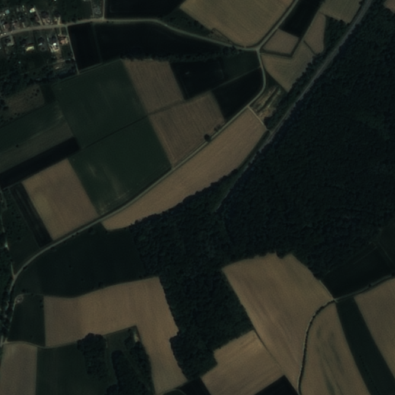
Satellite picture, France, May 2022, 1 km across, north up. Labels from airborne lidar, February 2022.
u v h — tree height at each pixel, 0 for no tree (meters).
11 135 0
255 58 0
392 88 32
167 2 0
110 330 0
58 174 0
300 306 0
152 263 17
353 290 0
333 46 8
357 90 30
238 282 0
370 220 21
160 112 0
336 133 33
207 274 21
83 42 0
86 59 0
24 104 0
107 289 0
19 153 0
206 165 0
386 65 31
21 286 0
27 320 0
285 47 0
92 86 0
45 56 0
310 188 32
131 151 0
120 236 0
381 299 0
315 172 32
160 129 0
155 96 0
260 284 0
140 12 0
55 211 0
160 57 13
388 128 28
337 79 15
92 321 0
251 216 31
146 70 0
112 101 0
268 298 0
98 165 0
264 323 0
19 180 0
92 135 0
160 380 0
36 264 0
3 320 17
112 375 0
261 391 0
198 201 22
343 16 0
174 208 0
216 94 0
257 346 0
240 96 0
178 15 0
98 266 0
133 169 0
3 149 0
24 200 0
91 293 0
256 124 0
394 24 17
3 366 0
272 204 31
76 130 0
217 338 27
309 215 28
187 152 0
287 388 0
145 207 0
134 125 0
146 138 0
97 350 17
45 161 0
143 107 0
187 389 0
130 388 24
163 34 0
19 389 0
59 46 0
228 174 0
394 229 0
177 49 0
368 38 21
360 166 31
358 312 0
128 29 0
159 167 0
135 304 0
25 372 0
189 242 32
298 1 0
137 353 23
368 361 0
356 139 31
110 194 0
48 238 0
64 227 0
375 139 30
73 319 0
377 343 0
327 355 0
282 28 0
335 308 0
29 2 0
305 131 32
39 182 0
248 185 29
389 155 28
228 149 0
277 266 0
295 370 0
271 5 0
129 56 28
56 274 0
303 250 16
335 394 0
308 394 0
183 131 0
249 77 0
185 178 0
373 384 6
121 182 0
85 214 0
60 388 0
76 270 0
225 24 0
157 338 0
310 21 0
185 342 28
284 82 0
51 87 0
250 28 0
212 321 29
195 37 0
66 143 0
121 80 0
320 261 22
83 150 0
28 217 0
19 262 0
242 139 0
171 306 14
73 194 0
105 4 0
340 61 18
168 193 0
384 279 0
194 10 0
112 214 0
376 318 0
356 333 0
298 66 0
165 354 0
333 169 33
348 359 0
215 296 32
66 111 0
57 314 0
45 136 0
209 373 0
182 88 0
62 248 0
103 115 0
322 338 0
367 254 0
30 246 0
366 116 24
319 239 13
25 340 0
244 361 0
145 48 0
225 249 24
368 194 32
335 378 0
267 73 0
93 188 0
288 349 0
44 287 0
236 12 0
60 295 0
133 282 0
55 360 0
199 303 25
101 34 0
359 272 0
